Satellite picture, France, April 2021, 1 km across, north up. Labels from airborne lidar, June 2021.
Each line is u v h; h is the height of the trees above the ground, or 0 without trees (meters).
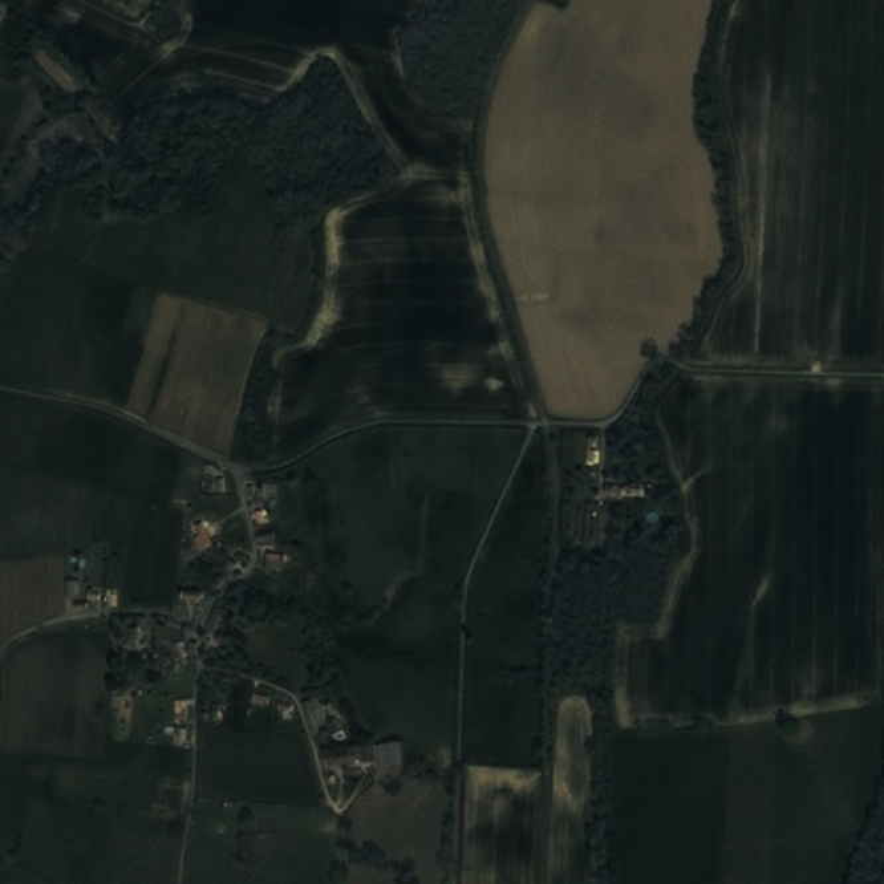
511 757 0
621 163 0
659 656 0
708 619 0
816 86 0
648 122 0
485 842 0
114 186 17
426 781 20
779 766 0
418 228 0
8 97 0
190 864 0
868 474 0
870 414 0
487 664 0
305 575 0
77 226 0
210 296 0
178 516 0
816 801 0
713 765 0
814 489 0
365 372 0
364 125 17
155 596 0
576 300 0
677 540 15
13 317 0
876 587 0
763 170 0
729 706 0
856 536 0
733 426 0
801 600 0
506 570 0
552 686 11
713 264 0
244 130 19
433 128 0
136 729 0
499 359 0
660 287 0
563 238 0
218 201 8
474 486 0
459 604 16
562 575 20
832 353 0
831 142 0
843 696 0
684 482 0
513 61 0
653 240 0
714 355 0
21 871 0
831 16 0
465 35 21
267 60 0
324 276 16
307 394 0
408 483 0
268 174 18
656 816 0
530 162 0
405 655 0
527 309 0
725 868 0
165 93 0
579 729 0
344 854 18
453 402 0
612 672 19
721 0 9
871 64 0
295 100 16
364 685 0
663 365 29
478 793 0
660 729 14
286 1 0
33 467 0
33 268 0
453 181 0
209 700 6
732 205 16
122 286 0
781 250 0
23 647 0
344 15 0
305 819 0
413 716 0
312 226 11
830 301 0
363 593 0
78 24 0
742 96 0
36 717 0
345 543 0
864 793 0
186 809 0
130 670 14
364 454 0
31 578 0
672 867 0
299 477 11
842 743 0
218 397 0
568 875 0
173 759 0
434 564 0
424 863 0
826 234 0
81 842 0
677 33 0
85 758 0
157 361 0
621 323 0
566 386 0
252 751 0
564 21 0
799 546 0
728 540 0
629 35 0
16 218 17
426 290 0
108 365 0
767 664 0
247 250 0
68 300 0
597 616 25
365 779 11
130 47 0
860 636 0
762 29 0
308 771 0
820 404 0
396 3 0
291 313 0
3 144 0
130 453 0
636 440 14
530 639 0
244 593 10
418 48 17
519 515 0
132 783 0
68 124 0
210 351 0
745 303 0
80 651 0
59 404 0
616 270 0
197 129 15
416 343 0
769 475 0
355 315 0
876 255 0
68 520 0
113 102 0
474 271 0
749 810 0
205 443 0
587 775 0
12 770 0
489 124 0
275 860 0
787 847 0
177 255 0
